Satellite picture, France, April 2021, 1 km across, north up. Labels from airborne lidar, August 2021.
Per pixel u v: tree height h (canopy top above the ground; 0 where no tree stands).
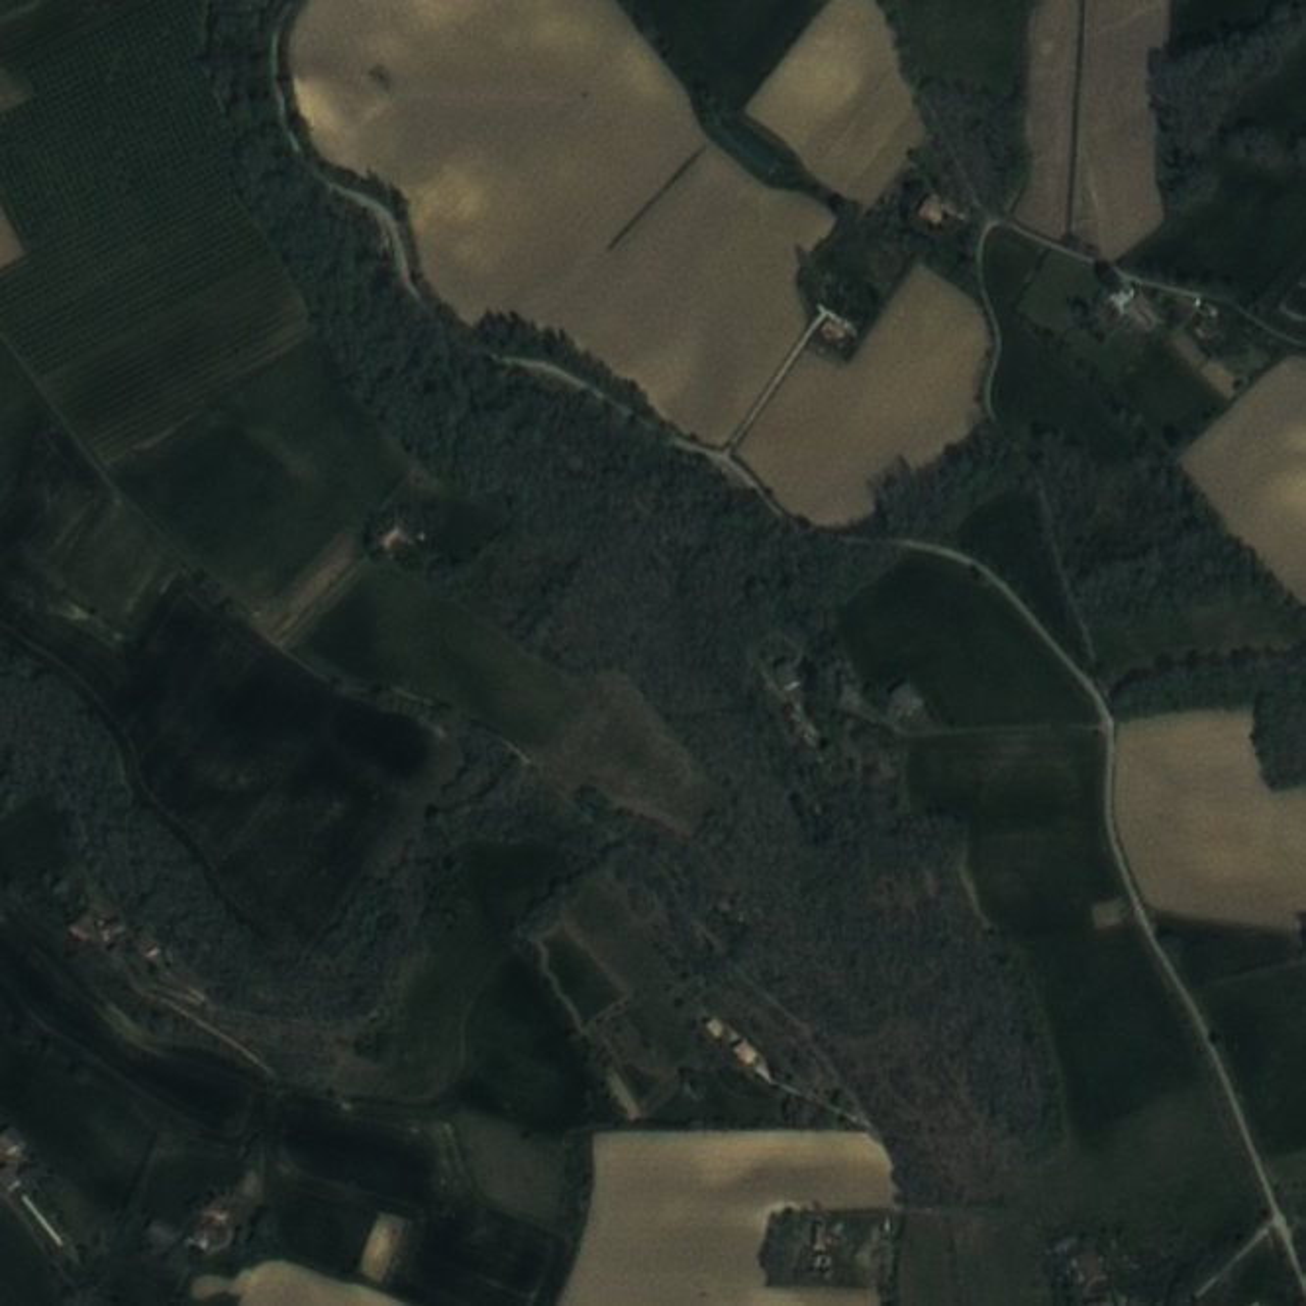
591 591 14
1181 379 0
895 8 12
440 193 0
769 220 0
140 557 0
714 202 0
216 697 0
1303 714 17
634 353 0
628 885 19
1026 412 0
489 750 11
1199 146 20
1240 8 0
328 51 0
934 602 0
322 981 15
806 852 12
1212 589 23
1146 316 0
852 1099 12
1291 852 0
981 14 0
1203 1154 0
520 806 14
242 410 0
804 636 21
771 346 0
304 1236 0
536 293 0
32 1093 0
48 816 0
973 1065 12
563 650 9
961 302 0
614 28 0
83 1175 0
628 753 0
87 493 0
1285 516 0
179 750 0
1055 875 0
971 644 0
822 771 17
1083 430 0
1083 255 15
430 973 0
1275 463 0
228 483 0
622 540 15
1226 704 18
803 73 0
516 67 0
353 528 0
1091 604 19
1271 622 0
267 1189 0
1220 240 0
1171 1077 0
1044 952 0
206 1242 8
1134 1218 0
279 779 0
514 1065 0
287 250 13
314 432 0
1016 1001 14
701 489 8
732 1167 0
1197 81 23
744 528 17
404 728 0
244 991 9
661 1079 0
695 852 10
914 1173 16
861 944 16
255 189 14
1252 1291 0
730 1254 0
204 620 0
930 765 0
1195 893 0
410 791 0
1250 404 0
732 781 9
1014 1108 19
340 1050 13
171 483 0
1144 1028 0
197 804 0
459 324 14
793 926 9
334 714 0
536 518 15
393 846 0
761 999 12
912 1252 0
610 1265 0
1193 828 0
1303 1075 0
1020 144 26
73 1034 0
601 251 0
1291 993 0
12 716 23
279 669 0
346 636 0
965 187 16
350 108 0
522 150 0
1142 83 0
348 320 18
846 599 20
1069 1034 0
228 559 0
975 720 0
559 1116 0
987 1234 0
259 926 0
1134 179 0
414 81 0
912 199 11
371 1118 0
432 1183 0
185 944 11
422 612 0
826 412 0
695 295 0
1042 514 18
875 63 0
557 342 11
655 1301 0
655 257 0
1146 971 0
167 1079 0
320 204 27
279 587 0
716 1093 0
